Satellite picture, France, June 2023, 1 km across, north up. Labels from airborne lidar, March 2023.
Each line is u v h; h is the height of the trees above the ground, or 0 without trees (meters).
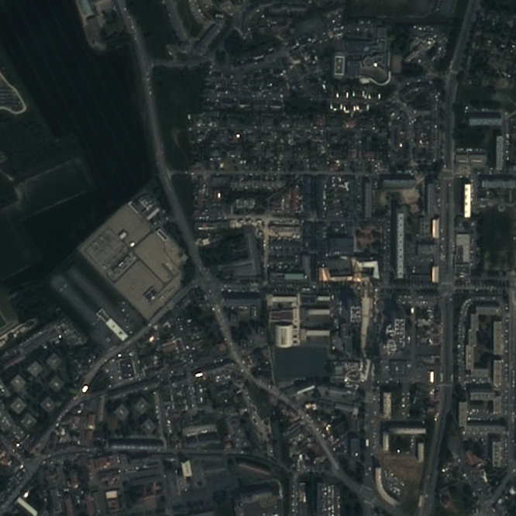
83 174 0
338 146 13
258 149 0
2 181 0
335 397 0
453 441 0
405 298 0
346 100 0
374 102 0
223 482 0
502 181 0
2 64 0
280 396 0
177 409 0
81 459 0
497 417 0
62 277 0
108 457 0
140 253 0
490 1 12
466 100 0
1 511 0
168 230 8
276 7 0
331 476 0
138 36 0
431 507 0
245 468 0
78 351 13
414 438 0
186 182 0
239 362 0
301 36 0
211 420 0
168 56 0
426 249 0
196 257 0
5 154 0
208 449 0
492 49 0
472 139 0
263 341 0
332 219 0
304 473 0
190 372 0
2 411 0
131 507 9
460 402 0
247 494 0
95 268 0
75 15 0
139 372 0
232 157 0
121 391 0
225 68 0
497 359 0
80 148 0
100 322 0
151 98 0
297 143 8
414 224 0
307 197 0
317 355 0
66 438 0
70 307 0
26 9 0
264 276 14
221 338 5
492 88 13
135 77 0
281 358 0
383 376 0
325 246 0
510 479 0
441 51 0
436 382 0
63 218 0
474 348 0
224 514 0
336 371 0
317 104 0
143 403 0
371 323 6
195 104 0
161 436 0
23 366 13
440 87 9
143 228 0
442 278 0
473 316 0
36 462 0
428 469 0
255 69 0
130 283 0
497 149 0
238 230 8
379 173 0
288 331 0
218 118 0
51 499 13
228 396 0
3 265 0
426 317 10
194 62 0
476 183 0
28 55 0
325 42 0
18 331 0
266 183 0
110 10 0
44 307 6
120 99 0
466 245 0
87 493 0
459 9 0
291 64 0
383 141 0
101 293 0
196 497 0
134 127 0
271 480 0
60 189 0
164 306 0
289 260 0
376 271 0
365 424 0
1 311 0
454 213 0
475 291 7
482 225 10
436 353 0
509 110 0
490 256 0
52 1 0
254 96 0
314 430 0
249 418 0
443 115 11
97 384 0
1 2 0
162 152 0
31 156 0
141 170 0
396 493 0
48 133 0
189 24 0
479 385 0
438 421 0
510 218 0
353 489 0
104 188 0
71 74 0
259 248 12
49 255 0
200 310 13
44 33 0
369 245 9
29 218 0
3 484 7
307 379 8
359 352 10
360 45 0
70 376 6
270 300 0
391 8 0
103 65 0
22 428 0
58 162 0
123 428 11
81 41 0
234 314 0
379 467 0
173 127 0
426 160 8
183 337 0
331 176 0
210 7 0
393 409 0
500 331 0
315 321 0
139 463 0
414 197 0
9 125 0
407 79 0
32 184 0
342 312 0
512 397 0
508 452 0
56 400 14
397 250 0
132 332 0
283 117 0
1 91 0
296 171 0
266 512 0
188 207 0
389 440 0
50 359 0
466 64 7
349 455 0
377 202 0
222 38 0
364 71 0
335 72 0
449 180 0
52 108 0
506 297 6
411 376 0
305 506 0
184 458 13
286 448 0
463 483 0
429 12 0
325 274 0
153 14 0
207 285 0
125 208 0
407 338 0
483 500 0
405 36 15
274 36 0
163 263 0
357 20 9
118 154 0
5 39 0
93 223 0
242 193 7
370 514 0
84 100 0
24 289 7
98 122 0
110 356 0
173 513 0
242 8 0
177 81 0
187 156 0
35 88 0
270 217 0
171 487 0
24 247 0
